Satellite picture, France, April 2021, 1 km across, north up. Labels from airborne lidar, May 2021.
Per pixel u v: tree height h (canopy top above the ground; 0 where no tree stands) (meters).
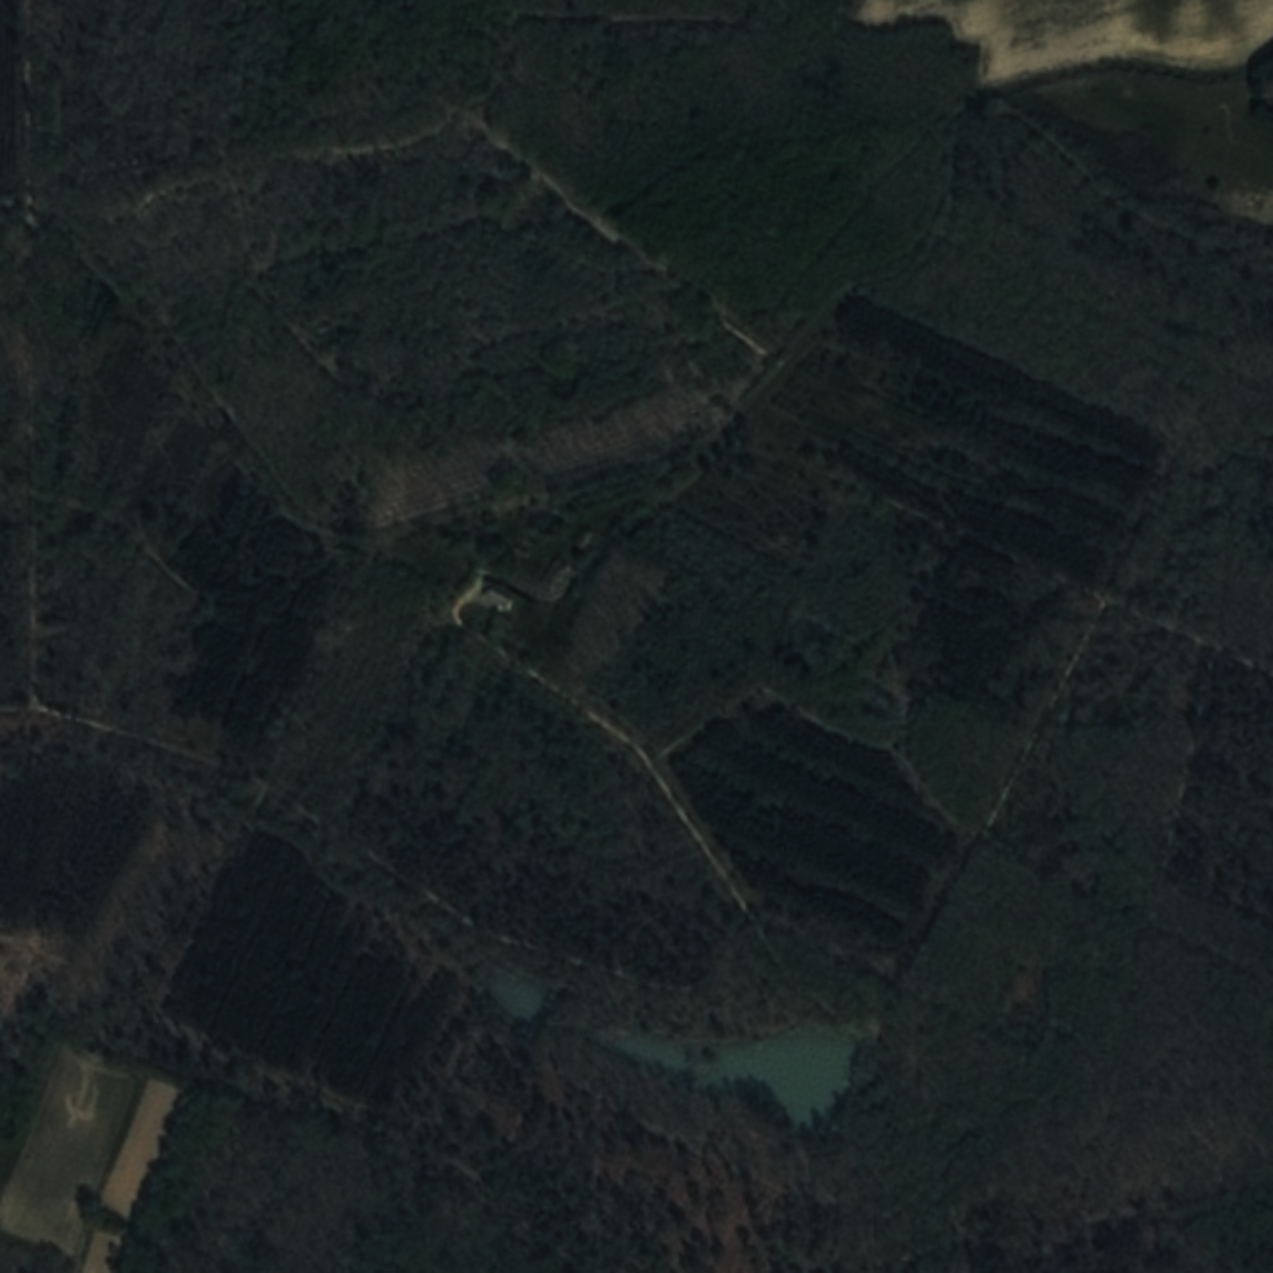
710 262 19
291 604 10
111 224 11
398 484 19
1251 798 6
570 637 9
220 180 13
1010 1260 21
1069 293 22
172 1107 0
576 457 25
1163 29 0
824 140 20
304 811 7
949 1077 20
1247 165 0
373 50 13
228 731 12
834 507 7
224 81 12
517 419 11
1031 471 12
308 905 12
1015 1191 16
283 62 8
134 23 9
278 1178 21
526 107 15
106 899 20
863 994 20
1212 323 17
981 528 14
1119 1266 18
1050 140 9
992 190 11
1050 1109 21
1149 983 19
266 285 6
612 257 11
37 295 22
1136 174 5
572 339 13
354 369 11
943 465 11
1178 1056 13
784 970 20
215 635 13
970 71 15
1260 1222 23
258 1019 14
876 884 14
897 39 14
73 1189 0
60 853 15
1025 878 17
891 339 12
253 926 13
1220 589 19
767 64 14
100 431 8
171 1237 13
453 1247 17
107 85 14
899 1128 20
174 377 16
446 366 15
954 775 20
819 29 15
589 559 12
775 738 13
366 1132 11
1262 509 8
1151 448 14
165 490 9
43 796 13
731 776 6
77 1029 13
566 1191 9
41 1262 8
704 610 11
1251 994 15
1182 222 15
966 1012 19
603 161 17
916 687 8
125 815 20
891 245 14
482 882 23
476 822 5
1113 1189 14
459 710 17
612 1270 11
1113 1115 9
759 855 6
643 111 15
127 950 14
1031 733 13
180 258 16
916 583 7
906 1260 7
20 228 22
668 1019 10
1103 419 13
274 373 14
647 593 25
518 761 8
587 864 7
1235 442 23
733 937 18
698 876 9
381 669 7
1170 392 19
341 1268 18
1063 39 0
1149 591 7
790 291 14
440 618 13
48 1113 0
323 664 13
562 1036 20
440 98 15
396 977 12
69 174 7
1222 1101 12
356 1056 12
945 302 15
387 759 11
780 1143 19
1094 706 20
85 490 13
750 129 20
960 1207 21
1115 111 0
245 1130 18
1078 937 21
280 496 16
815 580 8
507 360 11
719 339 11
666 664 9
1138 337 24
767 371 7
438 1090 22
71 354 24
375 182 13
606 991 15
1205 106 0
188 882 8
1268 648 12
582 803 10
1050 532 16
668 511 14
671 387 9
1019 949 19
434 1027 12
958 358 10
